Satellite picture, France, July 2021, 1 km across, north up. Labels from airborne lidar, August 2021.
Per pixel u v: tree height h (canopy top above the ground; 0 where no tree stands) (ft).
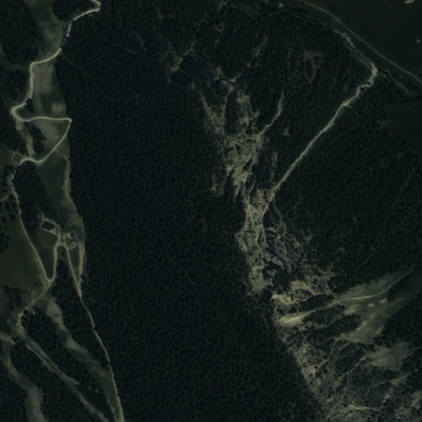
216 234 43
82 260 0
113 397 0
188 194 43
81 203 41
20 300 57
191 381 64
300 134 58
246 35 71
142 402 27
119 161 50
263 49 37
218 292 75
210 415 29
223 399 65
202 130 43
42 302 0
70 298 41
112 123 55
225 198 59
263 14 26
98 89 64
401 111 0
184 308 53
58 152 0
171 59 28
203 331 56
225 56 52
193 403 56
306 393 26
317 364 24
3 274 0
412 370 44
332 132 20
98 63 66
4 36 62
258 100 77
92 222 63
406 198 38
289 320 0
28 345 0
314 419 31
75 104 61
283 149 48
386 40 0
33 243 0
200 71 51
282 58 72
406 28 0
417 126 0
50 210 28
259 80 69
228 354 57
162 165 24
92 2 39
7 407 63
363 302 0
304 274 42
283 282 42
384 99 60
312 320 38
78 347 0
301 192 25
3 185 39
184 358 49
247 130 22
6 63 0
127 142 35
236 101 37
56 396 81
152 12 72
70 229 0
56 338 90
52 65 0
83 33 35
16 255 0
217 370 48
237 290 52
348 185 49
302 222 28
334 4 0
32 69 0
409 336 23
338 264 48
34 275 0
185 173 37
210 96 58
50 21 0
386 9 0
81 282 0
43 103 0
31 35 79
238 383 43
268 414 31
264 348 46
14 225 0
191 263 60
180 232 41
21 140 53
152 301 46
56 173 0
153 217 62
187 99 38
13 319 0
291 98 31
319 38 95
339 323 31
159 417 34
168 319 26
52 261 0
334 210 21
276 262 0
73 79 57
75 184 37
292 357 36
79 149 62
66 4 68
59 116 0
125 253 60
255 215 0
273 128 32
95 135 66
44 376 51
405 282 48
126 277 31
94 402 34
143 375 50
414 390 62
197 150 57
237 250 39
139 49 49
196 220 46
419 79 0
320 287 40
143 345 48
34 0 0
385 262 69
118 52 50
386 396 44
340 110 0
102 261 45
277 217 32
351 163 71
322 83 54
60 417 57
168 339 48
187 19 68
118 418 0
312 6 0
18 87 83
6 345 0
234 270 37
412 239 73
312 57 0
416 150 0
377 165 52
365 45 0
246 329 36
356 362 34
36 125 0
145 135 36
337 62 75
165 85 43
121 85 44
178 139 45
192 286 54
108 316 55
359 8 0
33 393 0
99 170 36
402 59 0
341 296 0
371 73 26
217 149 20
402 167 79
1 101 59
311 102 64
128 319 49
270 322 30
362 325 0
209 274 37
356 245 74
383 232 68
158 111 34
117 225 54
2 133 49
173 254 70
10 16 60
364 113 61
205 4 65
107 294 48
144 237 67
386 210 50
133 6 71
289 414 56
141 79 45
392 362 0
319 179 63
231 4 20
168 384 54
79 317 76
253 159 0
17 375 0
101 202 54
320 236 59
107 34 33
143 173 60
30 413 0
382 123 0
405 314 32
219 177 30
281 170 53
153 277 50
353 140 61
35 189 41
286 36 67
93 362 0
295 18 55
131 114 50
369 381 26
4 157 0
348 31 0
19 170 54
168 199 52
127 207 37
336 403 24
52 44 0
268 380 18
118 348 72
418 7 0
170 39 67
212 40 72
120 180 40
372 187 66
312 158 60
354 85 49
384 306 0
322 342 41
